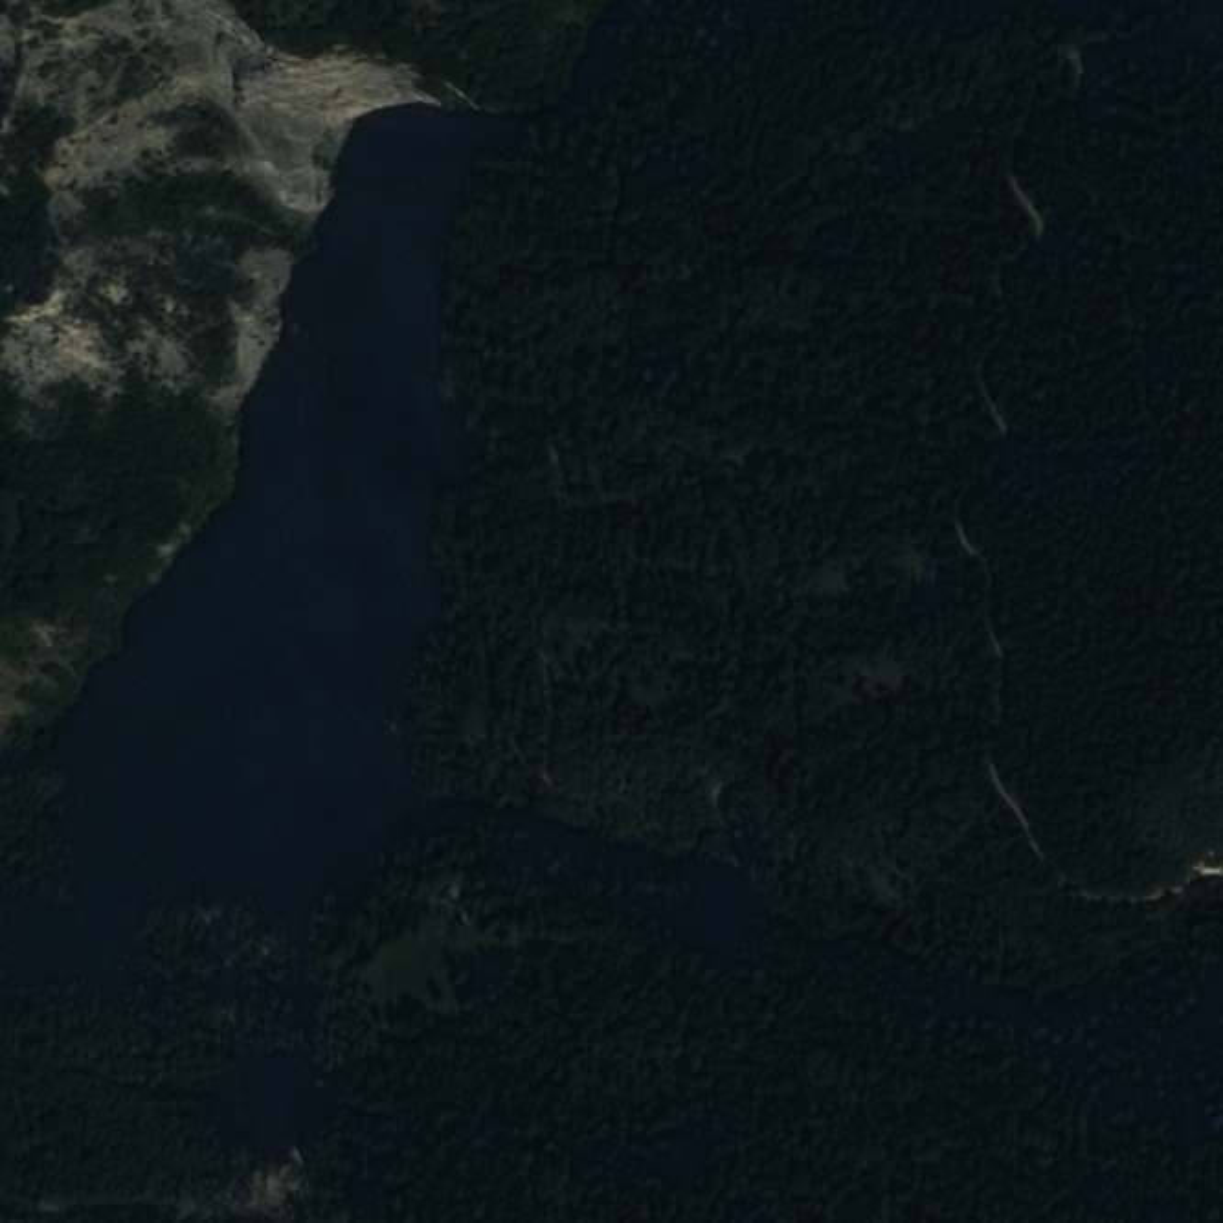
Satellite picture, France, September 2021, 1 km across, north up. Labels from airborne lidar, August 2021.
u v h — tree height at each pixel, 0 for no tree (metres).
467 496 24
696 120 30
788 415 13
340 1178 15
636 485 20
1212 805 16
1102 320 20
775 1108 31
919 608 17
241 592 10
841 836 17
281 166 0
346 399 9
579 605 22
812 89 29
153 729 18
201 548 16
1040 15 12
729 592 14
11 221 16
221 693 13
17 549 7
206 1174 6
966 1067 7
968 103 21
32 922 14
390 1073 32
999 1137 29
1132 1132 9
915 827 17
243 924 12
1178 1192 23
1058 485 30
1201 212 21
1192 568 19
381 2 22
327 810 11
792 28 36
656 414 24
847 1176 24
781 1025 26
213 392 7
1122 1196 31
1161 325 22
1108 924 16
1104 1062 21
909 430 20
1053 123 17
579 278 20
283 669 9
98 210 6
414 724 20
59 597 15
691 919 23
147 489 17
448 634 14
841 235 26
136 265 6
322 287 10
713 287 33
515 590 19
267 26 8
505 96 23
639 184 8
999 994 16
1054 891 20
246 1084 12
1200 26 0
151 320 8
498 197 22
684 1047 13
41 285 6
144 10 12
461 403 21
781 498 23
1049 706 20
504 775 25
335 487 7
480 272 15
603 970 19
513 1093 29
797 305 23
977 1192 28
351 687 14
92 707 14
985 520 21
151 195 10
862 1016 30
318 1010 23
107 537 10
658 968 23
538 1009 17
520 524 27
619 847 18
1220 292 20
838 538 18
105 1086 11
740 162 26
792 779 20
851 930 27
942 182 29
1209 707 28
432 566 34
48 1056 14
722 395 29
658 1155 38
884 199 28
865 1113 22
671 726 10
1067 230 17
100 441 10
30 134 17
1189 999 16
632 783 19
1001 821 26
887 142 24
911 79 25
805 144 25
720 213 27
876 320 27
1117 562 18
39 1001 21
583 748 14
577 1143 26
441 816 29
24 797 20
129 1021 14
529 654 13
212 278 9
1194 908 19
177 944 12
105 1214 10
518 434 14
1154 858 17
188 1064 13
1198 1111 20
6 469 17
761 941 14
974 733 19
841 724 14
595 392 17
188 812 14
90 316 7
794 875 15
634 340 19
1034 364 23
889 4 23
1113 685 24
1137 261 12
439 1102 29
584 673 10
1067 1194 29
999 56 17
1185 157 17
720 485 21
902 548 18
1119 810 18
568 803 10
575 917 24
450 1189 30
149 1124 13
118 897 7
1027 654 13
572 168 19
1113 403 19
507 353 24
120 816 19
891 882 8
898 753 27
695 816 15
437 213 32
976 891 25
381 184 8
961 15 23
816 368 29
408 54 12
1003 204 20
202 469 10
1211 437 25
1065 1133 21
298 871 6
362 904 34
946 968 23
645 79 29
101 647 8
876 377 25
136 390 9
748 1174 23
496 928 11
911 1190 24
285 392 10
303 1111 11
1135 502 24
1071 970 26
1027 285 23
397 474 10
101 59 6
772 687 17
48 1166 13
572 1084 25
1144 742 15
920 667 16
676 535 14
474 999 22
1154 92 23
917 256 31
